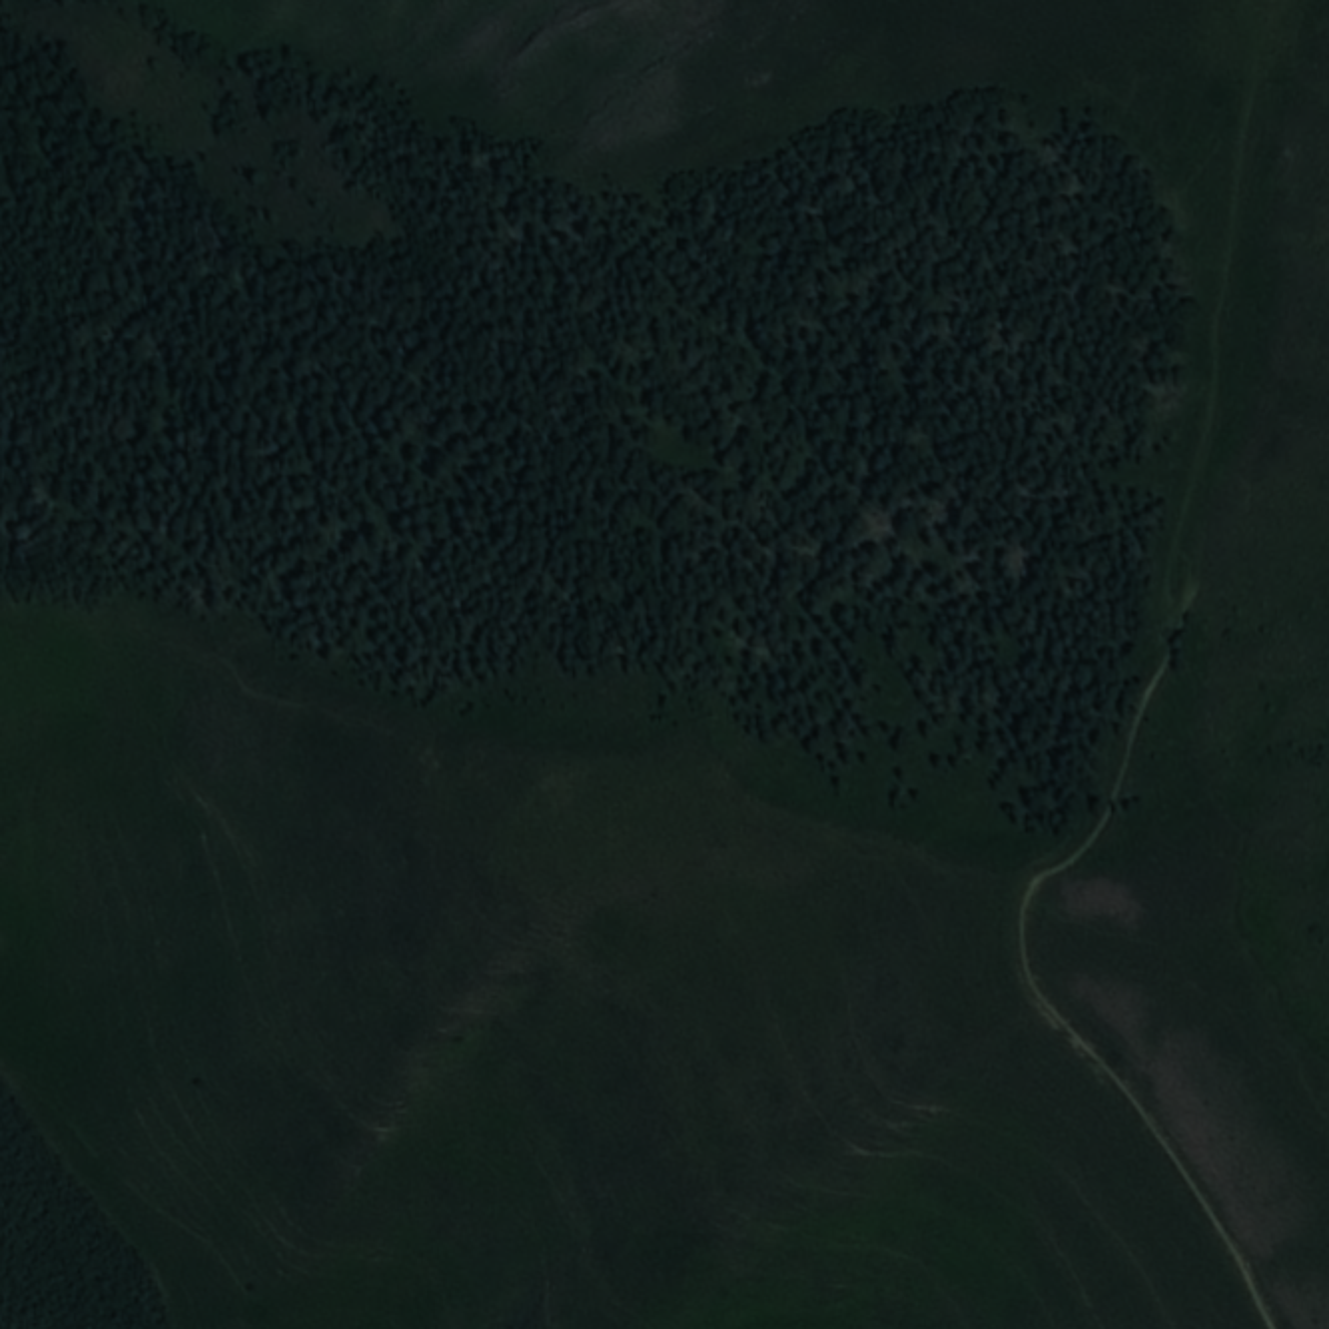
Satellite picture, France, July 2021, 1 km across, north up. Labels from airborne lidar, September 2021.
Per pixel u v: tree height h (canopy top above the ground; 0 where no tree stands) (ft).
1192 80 0
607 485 79
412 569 69
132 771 0
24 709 0
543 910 0
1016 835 0
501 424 75
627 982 0
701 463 0
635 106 0
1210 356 0
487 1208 0
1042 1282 0
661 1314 0
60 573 52
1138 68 0
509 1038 0
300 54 29
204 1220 0
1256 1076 0
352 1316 0
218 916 0
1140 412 62
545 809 0
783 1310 0
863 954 0
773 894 0
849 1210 0
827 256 70
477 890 0
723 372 75
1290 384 0
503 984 0
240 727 0
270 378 45
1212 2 0
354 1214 0
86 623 0
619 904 0
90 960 0
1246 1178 0
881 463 86
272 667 0
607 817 0
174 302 69
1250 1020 0
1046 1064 0
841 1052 0
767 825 0
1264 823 0
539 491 82
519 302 43
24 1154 58
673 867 0
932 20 0
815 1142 0
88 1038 0
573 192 65
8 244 40
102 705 0
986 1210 0
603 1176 0
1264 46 0
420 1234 0
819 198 51
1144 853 0
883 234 67
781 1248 0
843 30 0
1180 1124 0
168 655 0
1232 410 0
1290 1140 0
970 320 53
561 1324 0
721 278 52
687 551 72
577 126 0
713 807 0
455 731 0
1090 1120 0
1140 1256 0
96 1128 0
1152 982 0
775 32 0
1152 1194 0
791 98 0
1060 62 0
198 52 41
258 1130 0
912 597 53
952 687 46
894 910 0
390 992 0
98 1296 30
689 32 0
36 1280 45
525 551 77
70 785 0
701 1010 0
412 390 80
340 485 87
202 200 57
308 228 0
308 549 77
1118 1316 0
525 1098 0
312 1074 0
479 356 78
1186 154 0
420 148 64
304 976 0
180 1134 0
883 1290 0
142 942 0
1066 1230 0
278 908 0
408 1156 0
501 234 75
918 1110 0
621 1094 0
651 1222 0
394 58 0
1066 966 0
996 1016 0
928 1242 0
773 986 0
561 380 63
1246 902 0
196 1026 0
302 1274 0
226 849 0
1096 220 59
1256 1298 0
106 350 68
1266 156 0
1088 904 0
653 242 59
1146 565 61
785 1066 0
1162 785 0
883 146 73
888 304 81
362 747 0
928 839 0
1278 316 0
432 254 51
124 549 55
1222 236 0
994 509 75
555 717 0
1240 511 0
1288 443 0
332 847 0
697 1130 0
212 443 28
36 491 76
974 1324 0
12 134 81
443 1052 0
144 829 0
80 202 54
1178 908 0
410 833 0
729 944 0
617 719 0
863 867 0
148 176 42
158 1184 0
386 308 73
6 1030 0
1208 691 0
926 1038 0
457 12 0
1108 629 62
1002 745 32
